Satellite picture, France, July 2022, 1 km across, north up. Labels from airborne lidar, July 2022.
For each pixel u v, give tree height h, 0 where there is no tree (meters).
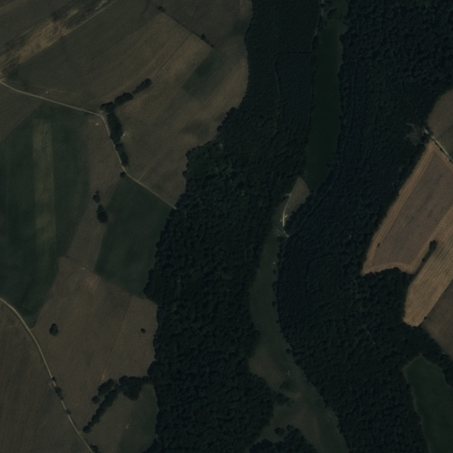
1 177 0
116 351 0
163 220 0
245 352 13
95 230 0
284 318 15
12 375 0
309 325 22
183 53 0
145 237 0
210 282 29
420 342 25
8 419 0
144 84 8
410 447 26
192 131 0
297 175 13
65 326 0
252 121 23
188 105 0
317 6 17
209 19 0
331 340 18
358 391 21
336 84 0
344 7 0
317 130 0
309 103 24
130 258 0
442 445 0
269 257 0
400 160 13
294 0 12
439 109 0
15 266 0
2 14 0
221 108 0
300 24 13
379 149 16
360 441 25
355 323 25
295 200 0
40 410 0
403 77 19
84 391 0
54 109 0
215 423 30
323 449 0
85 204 0
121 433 0
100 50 0
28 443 0
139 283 0
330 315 20
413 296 0
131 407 0
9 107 0
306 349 23
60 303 0
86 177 0
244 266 18
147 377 9
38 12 0
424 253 0
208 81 0
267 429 0
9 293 0
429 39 26
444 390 0
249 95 12
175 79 0
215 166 17
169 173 0
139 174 0
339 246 26
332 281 23
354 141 19
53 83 0
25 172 0
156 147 0
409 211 0
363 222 28
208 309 38
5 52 0
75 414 0
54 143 0
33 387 0
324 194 17
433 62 24
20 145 0
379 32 33
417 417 22
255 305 0
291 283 19
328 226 19
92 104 0
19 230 0
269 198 19
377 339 27
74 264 0
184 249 29
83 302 0
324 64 0
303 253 14
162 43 0
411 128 14
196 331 30
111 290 0
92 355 0
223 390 30
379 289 27
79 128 0
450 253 0
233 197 16
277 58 15
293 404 0
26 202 0
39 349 0
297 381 0
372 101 20
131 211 0
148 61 0
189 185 12
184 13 0
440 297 0
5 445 0
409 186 0
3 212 0
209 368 23
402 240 0
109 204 0
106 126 0
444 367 17
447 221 0
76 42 0
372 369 22
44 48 0
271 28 12
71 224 0
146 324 0
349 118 17
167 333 26
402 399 27
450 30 31
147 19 0
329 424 0
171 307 26
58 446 0
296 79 17
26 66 0
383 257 0
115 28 0
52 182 0
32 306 0
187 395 33
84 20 0
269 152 21
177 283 28
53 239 0
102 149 0
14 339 0
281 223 0
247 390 15
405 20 30
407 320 0
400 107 13
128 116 0
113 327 0
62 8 0
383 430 23
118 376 0
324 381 28
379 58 28
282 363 0
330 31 0
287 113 16
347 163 19
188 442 27
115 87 0
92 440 0
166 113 0
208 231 29
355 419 27
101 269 0
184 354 12
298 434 13
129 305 0
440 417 0
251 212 25
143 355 0
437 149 0
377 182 15
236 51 0
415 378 0
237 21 0
